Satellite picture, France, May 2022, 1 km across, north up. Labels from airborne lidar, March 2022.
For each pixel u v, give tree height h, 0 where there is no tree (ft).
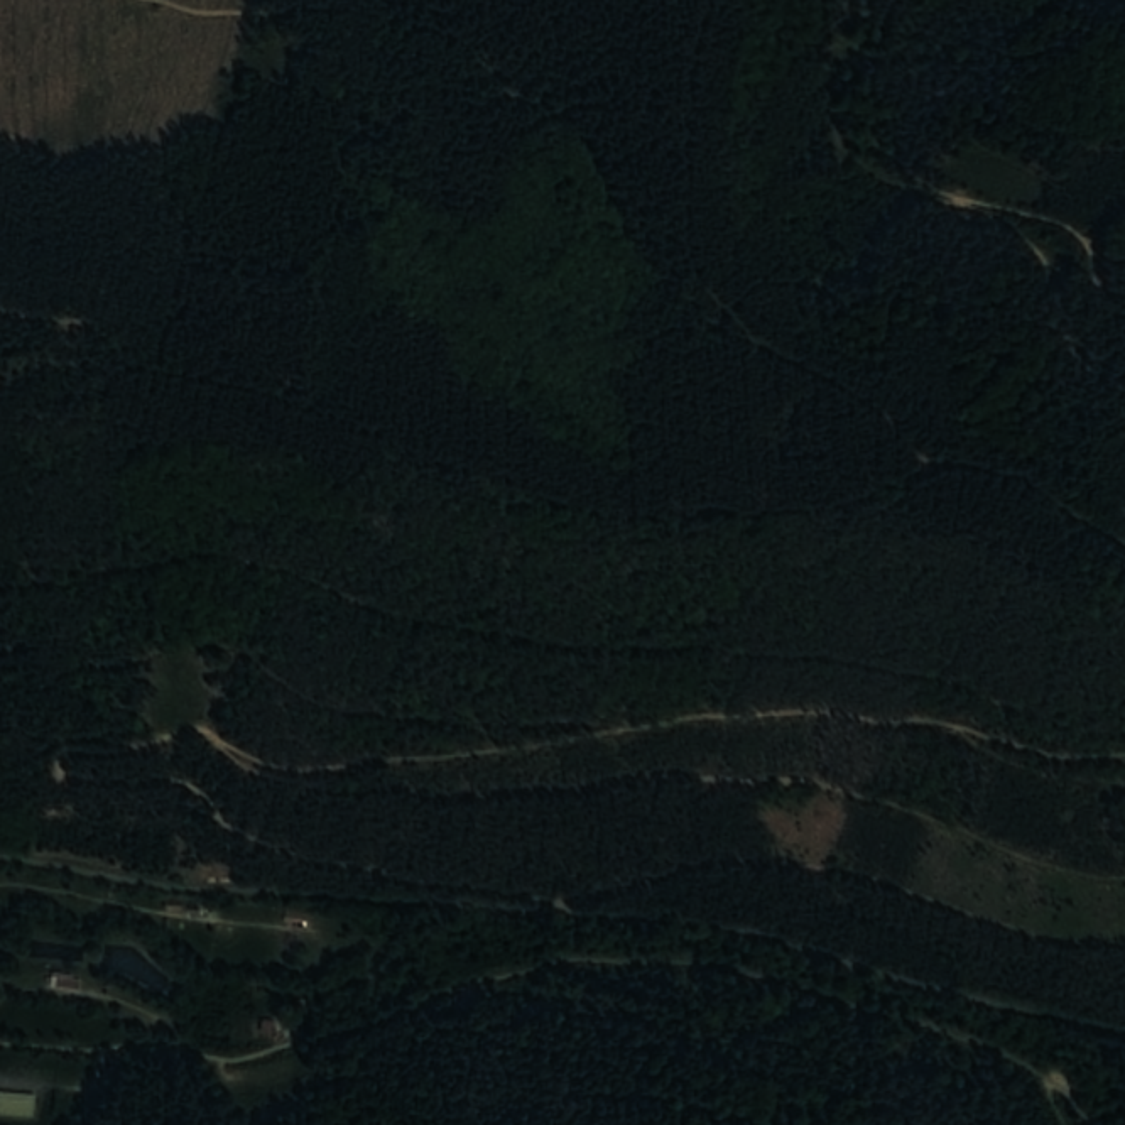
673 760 30
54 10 0
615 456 83
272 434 57
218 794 59
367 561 70
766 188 66
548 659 81
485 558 49
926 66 92
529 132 80
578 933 110
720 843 63
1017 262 89
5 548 37
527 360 73
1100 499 32
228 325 79
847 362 73
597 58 94
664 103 99
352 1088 84
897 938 67
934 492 70
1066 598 43
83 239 59
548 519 74
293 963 60
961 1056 72
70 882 61
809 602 65
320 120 43
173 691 0
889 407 61
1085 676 71
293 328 72
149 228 73
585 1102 79
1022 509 75
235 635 55
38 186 77
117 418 72
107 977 52
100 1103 107
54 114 0
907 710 64
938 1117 134
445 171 75
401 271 58
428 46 92
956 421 46
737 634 60
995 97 113
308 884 68
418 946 95
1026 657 72
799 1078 54
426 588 70
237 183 36
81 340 50
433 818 67
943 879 0
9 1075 0
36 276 62
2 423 44
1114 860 25
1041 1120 36
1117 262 94
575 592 80
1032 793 25
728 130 33
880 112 108
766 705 72
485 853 62
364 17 69
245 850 64
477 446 76
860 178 29
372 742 41
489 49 79
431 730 82
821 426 57
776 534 55
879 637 76
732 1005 87
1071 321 85
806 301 63
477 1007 101
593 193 65
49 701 73
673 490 70
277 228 38
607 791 83
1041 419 57
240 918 0
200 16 0
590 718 99
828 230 35
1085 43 101
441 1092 86
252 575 52
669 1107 88
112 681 62
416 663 77
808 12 105
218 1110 119
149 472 80
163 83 0
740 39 61
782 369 66
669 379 72
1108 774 67
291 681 48
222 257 22
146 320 57
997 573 53
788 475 62
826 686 77
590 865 56
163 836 33
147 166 85
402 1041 89
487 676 96
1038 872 0
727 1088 103
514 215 54
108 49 0
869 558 48
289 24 74
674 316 79
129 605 54
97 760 75
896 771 67
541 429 60
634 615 76
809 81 76
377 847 77
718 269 63
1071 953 63
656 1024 97
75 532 61
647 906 79
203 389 67
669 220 93
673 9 81
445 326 54
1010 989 68
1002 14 79
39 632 61
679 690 75
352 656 41
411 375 66
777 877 102
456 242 64
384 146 66
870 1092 92
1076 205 29
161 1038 40
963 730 0
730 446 66
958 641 69
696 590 68
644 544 59
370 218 48
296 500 78
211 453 58
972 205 0
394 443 61
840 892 72
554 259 83
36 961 0
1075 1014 79
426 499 73
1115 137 74
